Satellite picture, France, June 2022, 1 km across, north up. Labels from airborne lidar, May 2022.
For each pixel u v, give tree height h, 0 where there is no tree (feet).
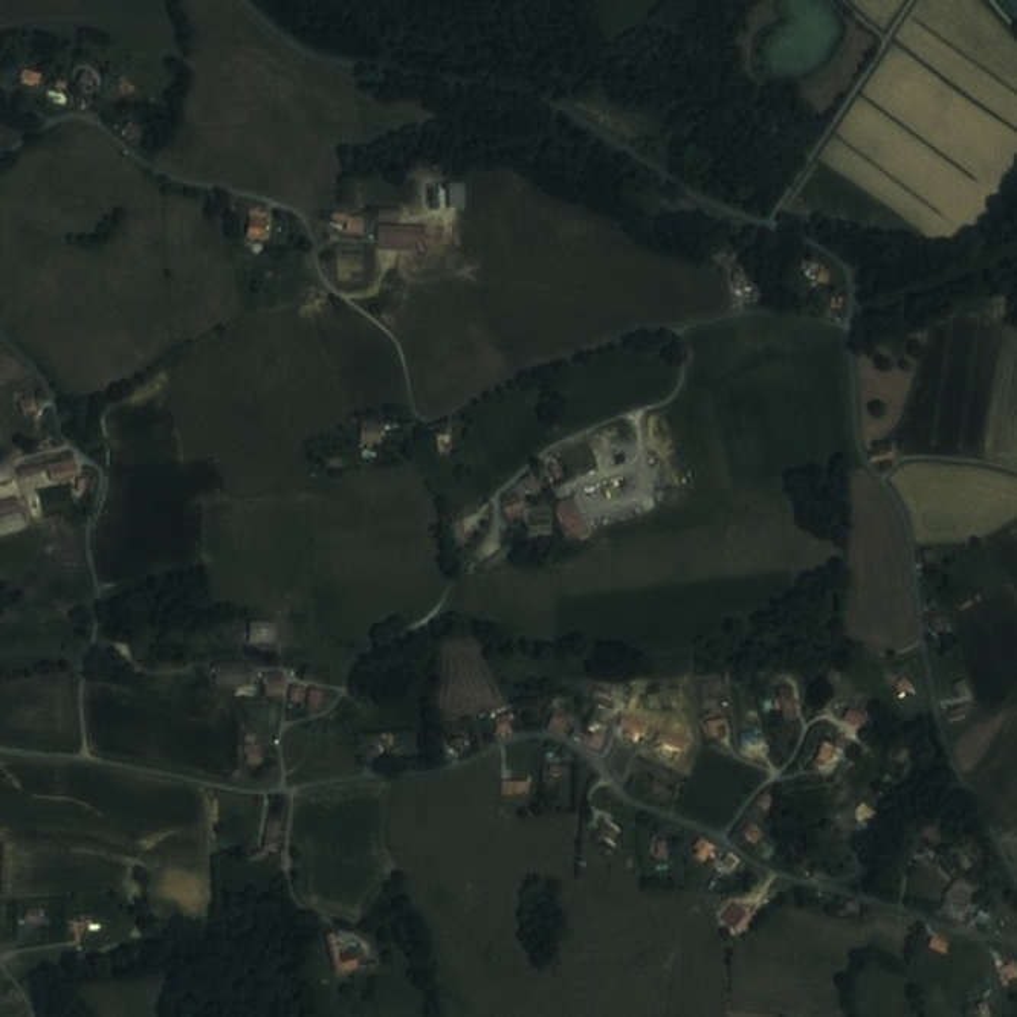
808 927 0
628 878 0
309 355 0
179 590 33
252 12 0
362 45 70
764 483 0
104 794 0
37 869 0
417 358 0
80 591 0
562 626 0
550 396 37
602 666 67
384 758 51
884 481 0
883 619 0
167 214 0
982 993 0
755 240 37
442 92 61
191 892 0
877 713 48
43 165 0
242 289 0
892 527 0
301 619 0
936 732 51
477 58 35
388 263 0
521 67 74
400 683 71
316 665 0
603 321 0
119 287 0
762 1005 0
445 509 34
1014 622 0
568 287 0
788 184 68
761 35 21
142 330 0
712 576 0
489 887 0
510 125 56
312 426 0
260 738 0
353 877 0
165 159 0
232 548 0
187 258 0
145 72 0
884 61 0
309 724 0
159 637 26
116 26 0
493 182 0
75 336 0
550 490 25
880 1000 0
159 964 62
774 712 23
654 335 63
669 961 0
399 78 76
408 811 0
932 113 0
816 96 0
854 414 0
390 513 0
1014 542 0
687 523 0
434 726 50
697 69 66
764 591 0
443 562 57
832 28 0
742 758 0
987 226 61
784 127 70
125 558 0
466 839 0
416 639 65
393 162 26
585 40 94
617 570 0
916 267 73
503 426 0
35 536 0
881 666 0
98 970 56
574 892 0
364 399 0
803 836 74
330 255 25
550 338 0
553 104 56
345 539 0
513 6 92
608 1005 0
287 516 0
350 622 0
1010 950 0
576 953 0
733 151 68
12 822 0
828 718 0
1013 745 0
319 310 0
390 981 0
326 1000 0
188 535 0
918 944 31
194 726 0
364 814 0
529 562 67
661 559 0
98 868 0
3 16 0
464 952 0
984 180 0
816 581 70
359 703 0
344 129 0
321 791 0
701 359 0
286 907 83
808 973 0
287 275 0
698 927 0
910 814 44
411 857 0
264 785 0
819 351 0
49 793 0
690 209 0
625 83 53
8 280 0
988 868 28
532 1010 0
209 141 0
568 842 0
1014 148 0
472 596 0
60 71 22
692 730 0
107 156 0
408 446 27
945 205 0
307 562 0
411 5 53
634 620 0
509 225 0
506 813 0
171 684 0
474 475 40
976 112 0
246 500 0
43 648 0
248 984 83
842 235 69
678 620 0
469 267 0
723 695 0
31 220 0
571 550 0
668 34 37
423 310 0
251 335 0
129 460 0
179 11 62
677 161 24
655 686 0
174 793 0
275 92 0
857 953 39
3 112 82
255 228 0
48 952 0
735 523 0
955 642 64
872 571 0
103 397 39
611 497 0
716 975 0
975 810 72
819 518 104
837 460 57
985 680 0
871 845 80
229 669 0
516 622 0
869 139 0
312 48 43
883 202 0
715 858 0
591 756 0
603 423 0
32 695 0
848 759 24
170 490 0
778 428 0
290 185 0
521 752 0
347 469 19
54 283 0
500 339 0
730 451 0
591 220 0
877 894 59
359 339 0
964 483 0
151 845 0
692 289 0
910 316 48
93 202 0
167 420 0
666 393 0
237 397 0
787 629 78
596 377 0
